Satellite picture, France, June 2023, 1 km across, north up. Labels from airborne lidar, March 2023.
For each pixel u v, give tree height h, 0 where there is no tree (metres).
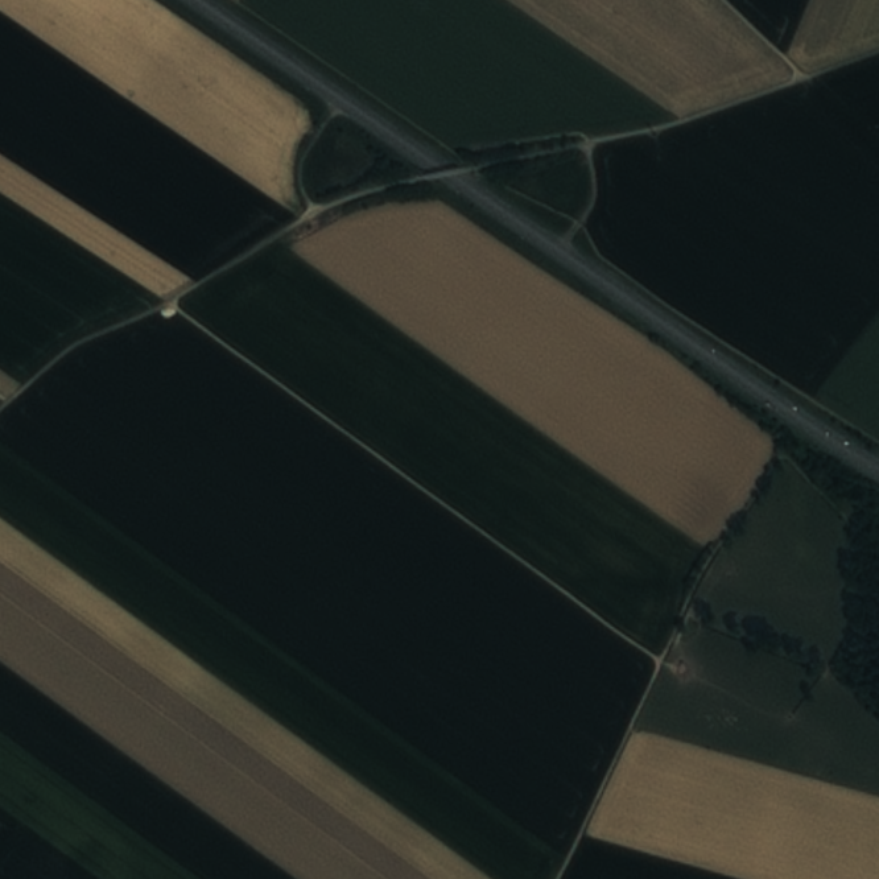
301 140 0
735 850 0
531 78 0
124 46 0
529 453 0
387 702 0
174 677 0
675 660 0
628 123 0
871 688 22
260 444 0
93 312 0
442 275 0
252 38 0
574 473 0
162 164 0
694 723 0
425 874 0
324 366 0
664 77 0
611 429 0
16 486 0
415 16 0
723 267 0
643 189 0
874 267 0
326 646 0
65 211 0
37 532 0
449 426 0
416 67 0
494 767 0
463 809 0
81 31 0
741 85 0
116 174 0
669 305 0
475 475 0
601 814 0
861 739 0
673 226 0
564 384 0
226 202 0
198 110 0
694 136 0
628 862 0
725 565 0
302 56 0
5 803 0
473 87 0
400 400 0
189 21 0
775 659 0
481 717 0
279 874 0
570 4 0
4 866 0
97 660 0
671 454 0
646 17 0
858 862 0
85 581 0
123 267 0
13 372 0
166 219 0
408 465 0
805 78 0
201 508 0
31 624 0
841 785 0
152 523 0
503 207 0
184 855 0
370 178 11
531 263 0
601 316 0
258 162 0
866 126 0
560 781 0
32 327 0
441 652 0
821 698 0
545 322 0
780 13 0
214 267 0
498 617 0
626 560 0
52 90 0
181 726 0
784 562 0
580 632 0
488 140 0
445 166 0
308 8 0
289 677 0
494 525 0
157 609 0
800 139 0
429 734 0
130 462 0
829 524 0
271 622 0
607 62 0
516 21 0
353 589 0
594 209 0
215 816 0
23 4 0
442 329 0
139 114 0
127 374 0
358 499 0
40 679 0
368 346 0
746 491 0
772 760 0
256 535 0
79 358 0
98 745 0
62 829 0
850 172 0
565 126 0
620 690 0
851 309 0
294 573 0
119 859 0
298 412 0
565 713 0
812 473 9
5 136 0
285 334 0
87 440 0
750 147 0
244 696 0
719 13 0
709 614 24
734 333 0
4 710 0
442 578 0
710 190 0
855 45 0
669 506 0
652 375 0
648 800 0
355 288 0
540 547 0
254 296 0
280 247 0
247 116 0
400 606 0
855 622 24
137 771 0
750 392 0
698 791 0
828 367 0
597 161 0
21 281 0
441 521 0
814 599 0
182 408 0
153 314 0
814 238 0
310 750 0
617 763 0
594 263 0
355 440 0
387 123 0
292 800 0
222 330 0
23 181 0
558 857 0
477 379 0
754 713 0
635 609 0
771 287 0
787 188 0
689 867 0
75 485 0
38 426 0
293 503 0
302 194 0
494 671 0
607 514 0
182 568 0
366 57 0
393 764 0
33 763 0
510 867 0
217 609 0
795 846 0
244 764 0
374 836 0
